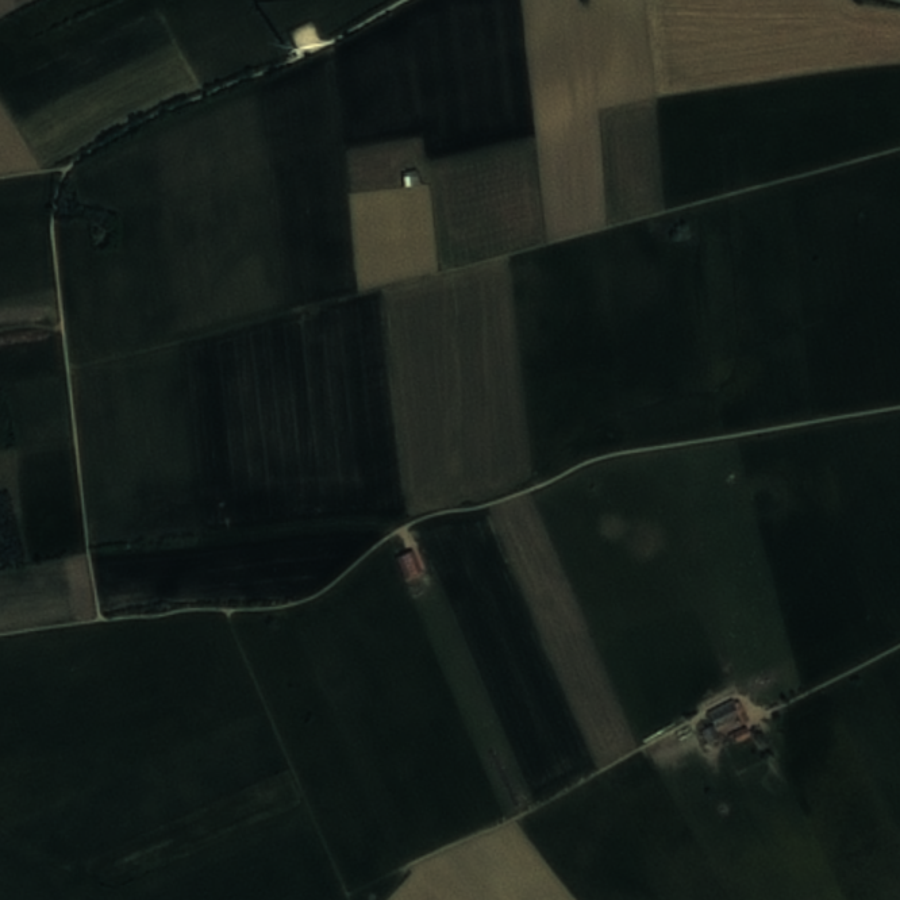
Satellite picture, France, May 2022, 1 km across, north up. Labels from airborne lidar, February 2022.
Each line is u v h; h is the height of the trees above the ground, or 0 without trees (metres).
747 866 0
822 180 0
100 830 0
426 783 0
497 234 0
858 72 0
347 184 0
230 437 0
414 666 0
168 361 0
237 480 0
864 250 0
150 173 0
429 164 0
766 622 0
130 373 0
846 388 0
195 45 0
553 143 0
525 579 0
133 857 0
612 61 0
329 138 0
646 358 0
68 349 0
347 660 0
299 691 0
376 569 0
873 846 0
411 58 0
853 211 0
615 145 0
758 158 0
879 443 0
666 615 0
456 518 0
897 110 0
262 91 0
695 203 0
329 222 0
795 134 0
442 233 0
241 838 0
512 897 0
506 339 0
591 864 0
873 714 0
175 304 0
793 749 0
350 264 0
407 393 0
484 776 0
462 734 0
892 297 0
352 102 0
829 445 0
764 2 0
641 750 0
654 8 0
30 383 0
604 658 0
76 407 0
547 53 0
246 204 0
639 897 0
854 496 0
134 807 0
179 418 0
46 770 0
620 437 0
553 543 0
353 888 0
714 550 0
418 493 0
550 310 0
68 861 0
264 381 0
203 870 0
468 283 0
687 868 0
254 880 0
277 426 0
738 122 0
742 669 0
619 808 0
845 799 0
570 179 0
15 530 9
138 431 0
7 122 0
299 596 0
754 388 0
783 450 0
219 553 0
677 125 0
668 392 0
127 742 0
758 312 0
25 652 0
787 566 0
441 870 0
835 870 0
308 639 0
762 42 0
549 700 0
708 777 0
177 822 0
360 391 0
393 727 0
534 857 0
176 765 0
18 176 0
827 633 0
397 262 0
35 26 0
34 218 0
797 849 0
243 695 0
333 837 0
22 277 0
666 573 0
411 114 0
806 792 0
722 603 0
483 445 0
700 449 0
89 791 0
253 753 0
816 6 0
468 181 0
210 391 0
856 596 0
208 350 0
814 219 0
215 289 0
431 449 0
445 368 0
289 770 0
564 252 0
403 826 0
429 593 0
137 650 0
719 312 0
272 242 0
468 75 0
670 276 0
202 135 0
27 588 0
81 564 0
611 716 0
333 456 0
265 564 0
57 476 0
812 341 0
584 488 0
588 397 0
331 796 0
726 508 0
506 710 0
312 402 0
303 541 0
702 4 0
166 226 0
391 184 0
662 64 0
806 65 0
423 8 0
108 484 0
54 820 0
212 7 0
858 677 8
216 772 0
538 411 0
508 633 0
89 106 0
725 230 0
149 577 0
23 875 0
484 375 0
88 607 0
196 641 0
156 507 0
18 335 0
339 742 0
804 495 0
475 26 0
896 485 0
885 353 0
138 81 0
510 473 0
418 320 0
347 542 0
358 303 0
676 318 0
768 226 0
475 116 0
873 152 0
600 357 0
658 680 0
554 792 0
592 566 0
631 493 0
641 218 0
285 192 0
